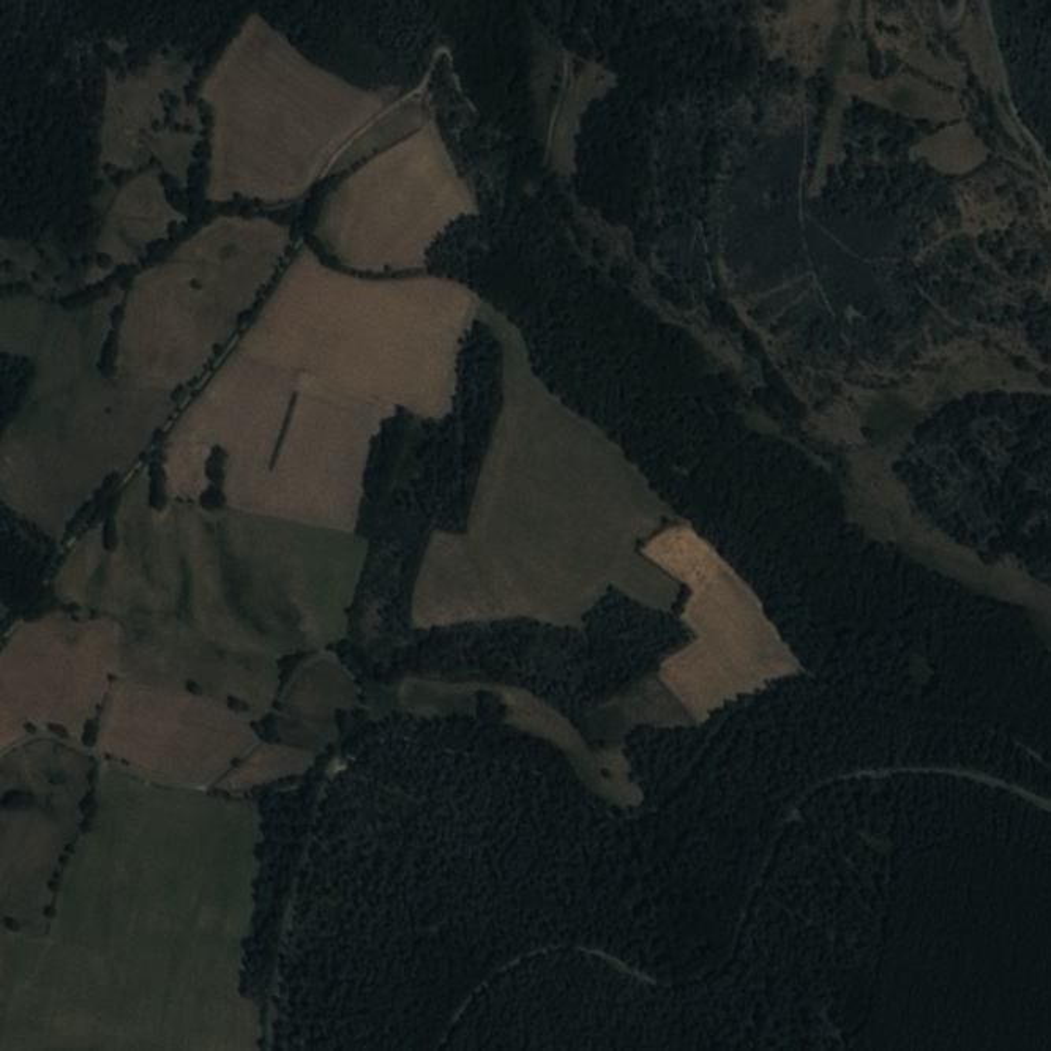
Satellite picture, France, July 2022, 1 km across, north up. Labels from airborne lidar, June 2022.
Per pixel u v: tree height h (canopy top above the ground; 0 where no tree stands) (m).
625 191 20
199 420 0
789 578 15
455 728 17
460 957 13
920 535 0
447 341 0
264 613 0
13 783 0
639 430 15
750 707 8
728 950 13
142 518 0
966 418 10
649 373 24
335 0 25
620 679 8
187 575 0
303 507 0
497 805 13
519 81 14
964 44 0
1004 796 21
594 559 0
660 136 15
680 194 9
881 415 0
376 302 0
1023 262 15
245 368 0
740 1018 26
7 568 12
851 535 13
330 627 0
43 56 9
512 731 9
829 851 13
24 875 0
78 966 0
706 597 0
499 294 15
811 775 30
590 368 19
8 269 14
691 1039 20
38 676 0
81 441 0
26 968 0
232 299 0
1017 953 10
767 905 18
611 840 20
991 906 15
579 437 0
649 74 20
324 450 0
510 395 0
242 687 0
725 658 0
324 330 0
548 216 8
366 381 0
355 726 16
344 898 11
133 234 0
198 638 0
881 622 23
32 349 0
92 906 0
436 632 11
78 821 0
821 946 12
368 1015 18
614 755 0
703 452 22
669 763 14
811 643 30
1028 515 15
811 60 0
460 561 0
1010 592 0
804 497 17
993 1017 16
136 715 0
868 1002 13
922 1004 17
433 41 16
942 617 16
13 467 0
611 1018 20
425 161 0
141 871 0
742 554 17
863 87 0
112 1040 0
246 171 0
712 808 20
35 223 19
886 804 21
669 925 20
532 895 18
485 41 16
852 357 7
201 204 18
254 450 0
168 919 0
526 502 0
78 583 0
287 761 0
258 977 16
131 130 0
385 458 17
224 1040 0
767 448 20
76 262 12
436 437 11
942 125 6
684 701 0
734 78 15
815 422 0
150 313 0
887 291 0
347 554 0
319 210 14
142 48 13
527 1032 16
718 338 0
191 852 0
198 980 0
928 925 17
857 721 29
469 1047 18
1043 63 8
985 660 15
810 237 0
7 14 11
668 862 16
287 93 0
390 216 0
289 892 15
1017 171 0
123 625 0
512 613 0
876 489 0
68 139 16
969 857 18
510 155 10
